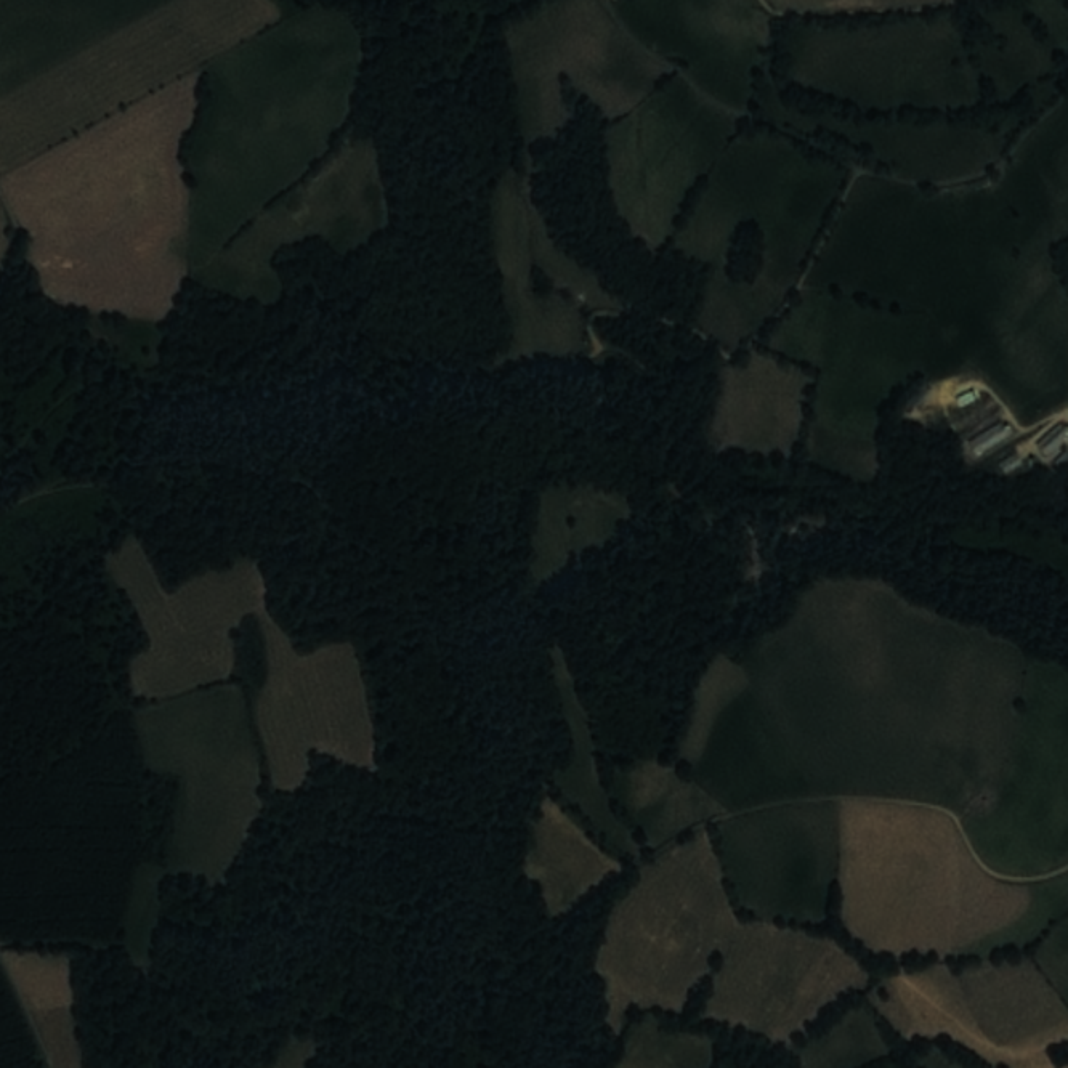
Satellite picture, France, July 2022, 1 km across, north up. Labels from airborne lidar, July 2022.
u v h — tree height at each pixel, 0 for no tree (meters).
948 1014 0
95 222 0
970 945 0
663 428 26
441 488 29
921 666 0
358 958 21
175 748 0
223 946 26
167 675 0
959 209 0
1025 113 18
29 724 12
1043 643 16
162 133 0
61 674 8
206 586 0
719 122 0
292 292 13
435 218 23
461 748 22
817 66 0
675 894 0
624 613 14
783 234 0
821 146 12
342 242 0
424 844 24
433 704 23
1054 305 0
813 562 19
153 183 0
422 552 27
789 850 0
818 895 0
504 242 0
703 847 0
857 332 0
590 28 0
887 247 0
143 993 19
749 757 0
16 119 0
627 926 0
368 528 26
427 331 19
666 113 0
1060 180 0
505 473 18
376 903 16
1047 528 7
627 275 17
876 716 0
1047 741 0
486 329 18
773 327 15
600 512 0
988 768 0
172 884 16
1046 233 0
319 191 0
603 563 24
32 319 26
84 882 7
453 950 29
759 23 0
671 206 0
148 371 6
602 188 7
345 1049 21
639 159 0
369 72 18
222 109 0
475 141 25
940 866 0
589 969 16
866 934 0
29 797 8
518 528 21
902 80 0
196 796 0
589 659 23
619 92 0
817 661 0
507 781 11
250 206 0
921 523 18
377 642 7
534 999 22
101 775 7
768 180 0
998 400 0
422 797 19
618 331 17
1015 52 0
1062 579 19
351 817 17
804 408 14
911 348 0
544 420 25
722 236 0
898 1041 19
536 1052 25
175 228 0
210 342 19
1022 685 0
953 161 0
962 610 12
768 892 0
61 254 0
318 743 0
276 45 0
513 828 19
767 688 0
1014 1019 0
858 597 0
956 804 0
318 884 17
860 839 0
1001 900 0
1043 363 0
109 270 0
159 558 20
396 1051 9
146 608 0
